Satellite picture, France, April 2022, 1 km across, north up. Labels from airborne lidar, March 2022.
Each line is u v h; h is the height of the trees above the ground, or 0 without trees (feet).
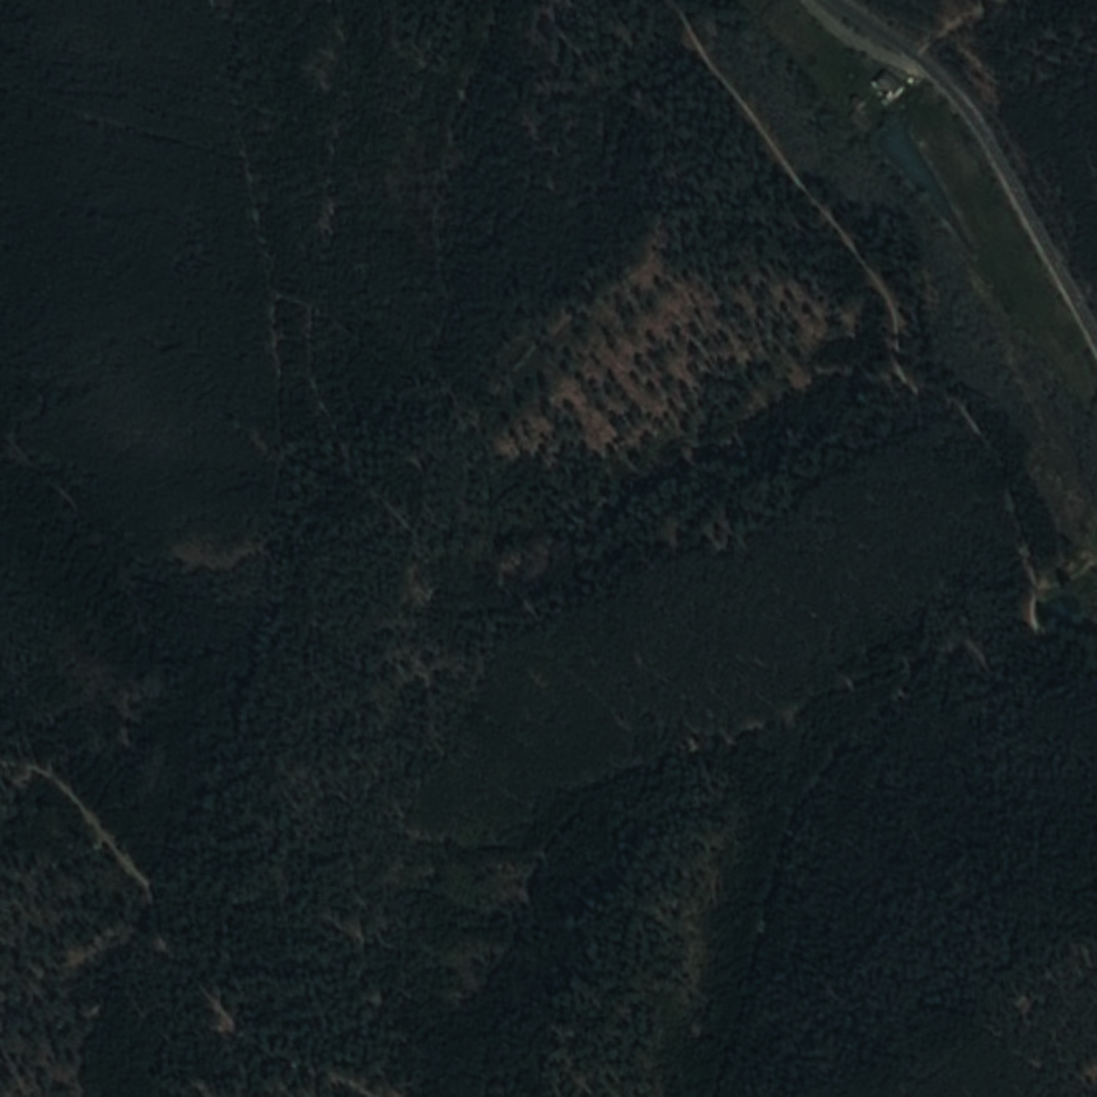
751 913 70
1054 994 72
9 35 52
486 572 34
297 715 51
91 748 41
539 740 52
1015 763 59
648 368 86
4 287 47
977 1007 60
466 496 53
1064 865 62
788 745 55
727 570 64
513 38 33
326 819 57
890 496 66
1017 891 59
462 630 34
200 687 39
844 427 28
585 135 39
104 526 52
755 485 29
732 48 40
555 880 40
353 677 57
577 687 32
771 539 52
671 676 67
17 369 39
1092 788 76
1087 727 57
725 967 28
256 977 36
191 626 33
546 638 58
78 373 28
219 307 33
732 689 72
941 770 66
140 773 52
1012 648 82
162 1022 51
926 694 77
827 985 46
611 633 60
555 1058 25
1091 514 0
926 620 41
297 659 56
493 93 34
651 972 68
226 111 53
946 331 23
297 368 35
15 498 60
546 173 30
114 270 40
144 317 37
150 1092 55
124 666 38
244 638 27
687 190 19
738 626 65
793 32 0
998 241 0
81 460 36
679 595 67
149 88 51
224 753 27
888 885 59
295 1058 80
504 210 28
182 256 26
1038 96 29
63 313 40
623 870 17
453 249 29
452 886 52
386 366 27
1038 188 41
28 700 45
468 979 60
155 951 59
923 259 41
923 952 71
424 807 38
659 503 90
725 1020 43
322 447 18
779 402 26
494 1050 30
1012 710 79
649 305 81
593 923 93
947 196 0
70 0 39
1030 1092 54
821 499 61
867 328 27
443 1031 47
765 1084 74
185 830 34
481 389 35
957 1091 38
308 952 75
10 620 46
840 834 66
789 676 73
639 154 34
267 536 22
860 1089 57
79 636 29
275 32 33
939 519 75
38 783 30
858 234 25
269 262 26
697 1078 51
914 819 61
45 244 50
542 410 0
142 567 34
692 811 60
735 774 31
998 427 68
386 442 74
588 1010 69
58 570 51
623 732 44
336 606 55
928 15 38
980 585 73
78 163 38
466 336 32
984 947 63
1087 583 0
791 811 56
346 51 29
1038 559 66
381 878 59
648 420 119
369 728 52
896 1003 58
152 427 27
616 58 81
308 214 23
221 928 45
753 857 40
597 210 41
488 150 31
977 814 55
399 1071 71
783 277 92
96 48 19
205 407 33
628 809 52
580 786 57
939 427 53
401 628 28
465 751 34
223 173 34
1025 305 0
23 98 53
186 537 26
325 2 29
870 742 58
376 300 34
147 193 27
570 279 35
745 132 104
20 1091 89
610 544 87
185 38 34
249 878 83
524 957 69
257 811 51
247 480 37
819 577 62
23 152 48
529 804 55
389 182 31
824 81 0
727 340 59
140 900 28
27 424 45
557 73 28
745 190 96
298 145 33
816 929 62
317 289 27
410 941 55
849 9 0
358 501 54
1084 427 45
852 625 73
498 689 45
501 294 31
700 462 41
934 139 0
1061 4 45
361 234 33
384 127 34
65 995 95
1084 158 27
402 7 30
